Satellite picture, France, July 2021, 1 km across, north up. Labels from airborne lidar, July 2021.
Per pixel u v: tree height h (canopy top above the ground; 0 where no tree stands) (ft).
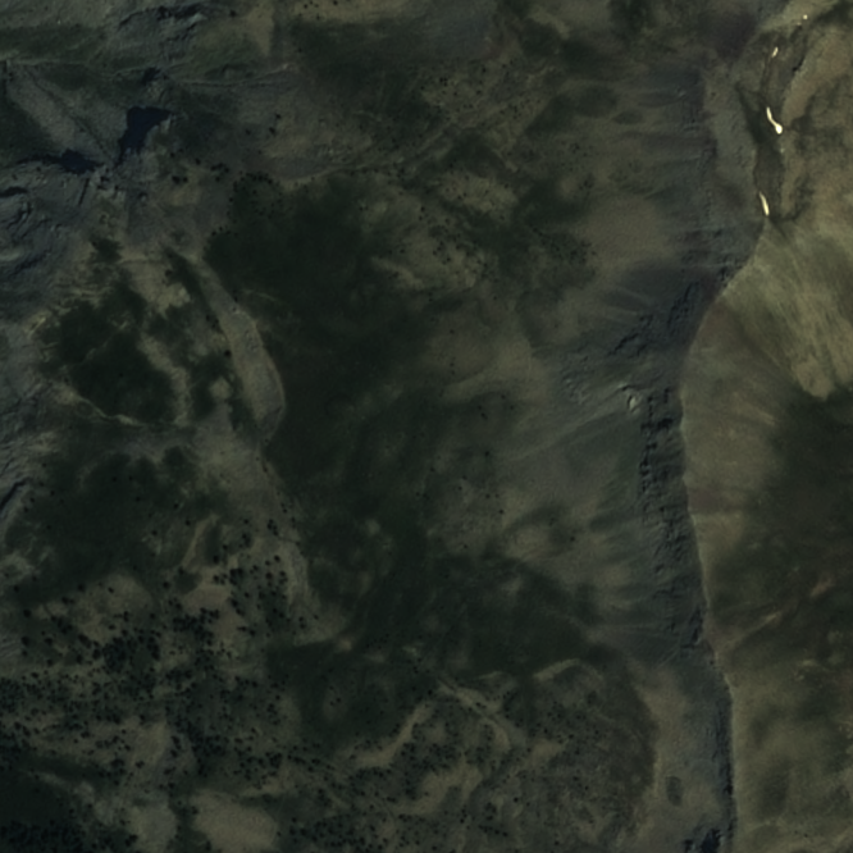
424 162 0
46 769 0
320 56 0
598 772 0
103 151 0
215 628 0
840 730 0
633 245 0
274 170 0
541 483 0
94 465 0
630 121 0
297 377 0
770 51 0
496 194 0
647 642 0
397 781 0
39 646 0
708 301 0
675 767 0
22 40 0
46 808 0
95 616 0
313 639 0
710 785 0
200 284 0
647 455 0
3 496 0
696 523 0
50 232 0
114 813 0
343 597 0
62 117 0
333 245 0
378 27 0
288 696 0
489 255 0
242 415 0
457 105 0
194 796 0
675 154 0
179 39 0
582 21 0
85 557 0
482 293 0
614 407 0
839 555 0
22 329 0
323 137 0
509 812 0
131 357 0
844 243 0
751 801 0
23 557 0
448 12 0
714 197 0
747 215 0
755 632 0
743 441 0
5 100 0
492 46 0
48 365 0
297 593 0
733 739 0
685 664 0
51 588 0
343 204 0
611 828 0
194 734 19
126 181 0
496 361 0
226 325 0
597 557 0
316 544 0
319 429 0
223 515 0
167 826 0
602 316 0
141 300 0
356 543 0
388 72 0
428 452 0
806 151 0
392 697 0
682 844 0
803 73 0
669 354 0
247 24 0
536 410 0
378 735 0
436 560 0
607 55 0
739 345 0
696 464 0
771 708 0
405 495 0
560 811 0
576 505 0
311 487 0
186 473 0
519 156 0
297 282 0
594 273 0
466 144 0
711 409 0
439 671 0
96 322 0
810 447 0
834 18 0
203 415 0
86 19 0
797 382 0
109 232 0
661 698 0
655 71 0
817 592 0
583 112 0
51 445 0
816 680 0
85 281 0
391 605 0
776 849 0
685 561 0
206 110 0
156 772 0
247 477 0
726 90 0
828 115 0
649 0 0
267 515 0
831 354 0
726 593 0
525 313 0
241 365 0
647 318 0
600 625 0
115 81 0
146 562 0
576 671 0
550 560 0
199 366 0
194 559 0
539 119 0
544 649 0
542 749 0
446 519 0
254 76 0
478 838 0
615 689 0
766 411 0
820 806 0
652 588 0
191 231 0
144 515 0
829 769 0
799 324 0
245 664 0
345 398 0
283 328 0
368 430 0
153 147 0
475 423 0
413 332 0
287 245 0
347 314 0
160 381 0
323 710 0
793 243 0
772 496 0
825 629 0
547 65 0
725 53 0
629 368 0
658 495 0
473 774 0
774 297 0
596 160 0
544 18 0
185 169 0
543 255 0
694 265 0
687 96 0
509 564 0
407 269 0
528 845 0
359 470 0
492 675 0
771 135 0
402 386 0
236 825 0
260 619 0
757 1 0
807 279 0
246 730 0
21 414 0
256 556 0
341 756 0
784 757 0
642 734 0
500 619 0
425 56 0
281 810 0
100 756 0
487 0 0
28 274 0
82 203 0
